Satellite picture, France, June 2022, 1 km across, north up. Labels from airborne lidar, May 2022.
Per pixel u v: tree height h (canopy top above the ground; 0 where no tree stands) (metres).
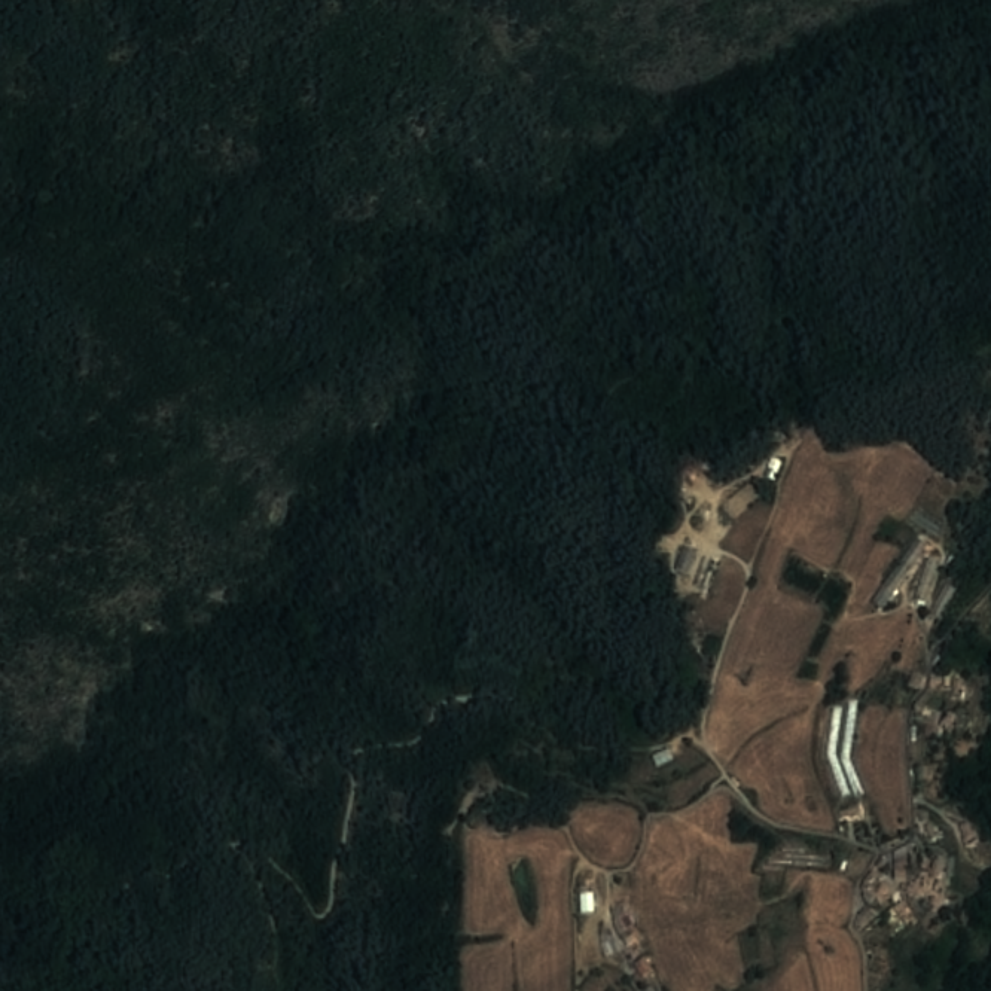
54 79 23
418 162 6
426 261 12
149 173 17
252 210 17
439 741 9
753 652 0
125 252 15
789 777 0
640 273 20
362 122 19
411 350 13
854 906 0
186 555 16
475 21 7
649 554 20
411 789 12
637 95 17
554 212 24
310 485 15
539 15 8
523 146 14
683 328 12
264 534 8
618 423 18
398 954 13
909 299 23
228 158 9
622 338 10
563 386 21
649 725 20
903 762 0
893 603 6
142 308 10
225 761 9
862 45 15
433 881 9
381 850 7
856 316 27
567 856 0
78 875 13
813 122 13
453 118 15
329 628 14
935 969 12
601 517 23
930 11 27
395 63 9
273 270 25
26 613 10
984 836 11
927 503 0
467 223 16
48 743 6
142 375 12
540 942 0
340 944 12
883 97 16
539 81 8
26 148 7
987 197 11
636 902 0
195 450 8
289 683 13
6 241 14
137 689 16
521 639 24
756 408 7
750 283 16
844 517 0
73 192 15
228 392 12
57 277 13
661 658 24
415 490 20
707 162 20
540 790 8
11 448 13
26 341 25
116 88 20
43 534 9
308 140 10
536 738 7
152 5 9
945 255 15
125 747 10
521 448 13
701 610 0
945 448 23
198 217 19
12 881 10
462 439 16
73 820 9
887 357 23
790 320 15
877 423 22
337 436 9
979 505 10
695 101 23
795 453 0
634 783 0
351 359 22
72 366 8
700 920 0
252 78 12
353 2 17
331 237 21
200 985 21
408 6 6
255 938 16
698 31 7
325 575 8
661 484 20
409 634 7
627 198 15
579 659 10
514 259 24
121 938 14
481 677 10
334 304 12
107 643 9
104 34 8
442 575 16
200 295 16
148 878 15
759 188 13
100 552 11
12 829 17
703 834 0
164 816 17
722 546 0
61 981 14
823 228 13
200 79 19
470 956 0
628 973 9
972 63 9
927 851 8
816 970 0
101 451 13
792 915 0
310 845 9
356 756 13
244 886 20
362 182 9
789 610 0
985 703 11
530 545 10
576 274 14
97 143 11
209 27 21
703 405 6
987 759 11
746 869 0
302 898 8
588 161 21
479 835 0
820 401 23
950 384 20
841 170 28
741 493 0
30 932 18
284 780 7
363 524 8
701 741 0
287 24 21
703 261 18
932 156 6
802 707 0
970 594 9
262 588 8
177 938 17
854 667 0
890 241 20
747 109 13
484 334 22
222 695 9
